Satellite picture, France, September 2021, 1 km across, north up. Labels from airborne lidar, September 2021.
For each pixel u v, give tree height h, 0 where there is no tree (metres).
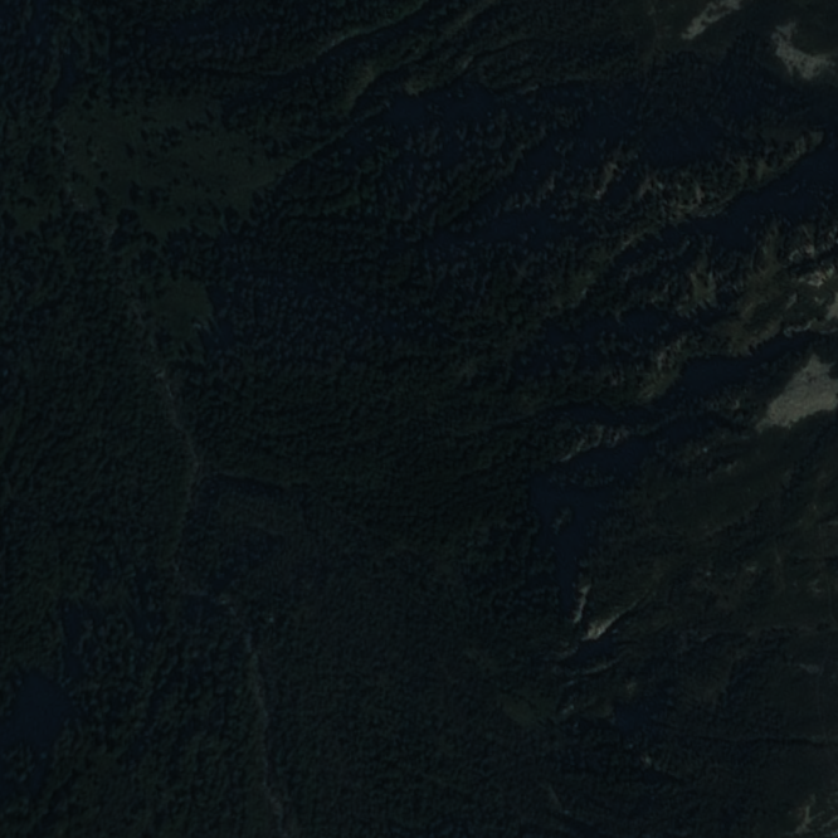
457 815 6
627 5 0
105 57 0
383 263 10
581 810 6
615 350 8
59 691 6
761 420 0
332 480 8
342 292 17
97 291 10
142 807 7
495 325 8
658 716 7
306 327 18
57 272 7
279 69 6
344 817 6
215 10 16
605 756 9
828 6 0
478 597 9
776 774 0
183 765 12
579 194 18
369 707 7
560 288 15
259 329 13
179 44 28
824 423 0
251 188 0
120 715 14
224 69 13
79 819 17
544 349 15
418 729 6
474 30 11
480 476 7
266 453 8
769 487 0
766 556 0
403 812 8
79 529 11
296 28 12
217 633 7
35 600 11
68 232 7
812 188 12
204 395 7
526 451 15
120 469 9
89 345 8
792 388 0
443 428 11
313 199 14
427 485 11
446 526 15
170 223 0
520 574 10
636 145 6
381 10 9
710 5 0
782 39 0
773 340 0
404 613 5
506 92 10
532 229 21
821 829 0
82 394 11
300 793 10
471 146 33
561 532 7
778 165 10
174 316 0
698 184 17
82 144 0
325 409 9
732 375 8
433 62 9
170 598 8
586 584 6
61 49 14
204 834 7
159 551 7
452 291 21
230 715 9
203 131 8
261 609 6
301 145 7
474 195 20
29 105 17
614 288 9
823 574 0
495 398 12
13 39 18
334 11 11
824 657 0
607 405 10
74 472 8
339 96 9
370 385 8
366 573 9
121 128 0
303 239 18
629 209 8
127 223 11
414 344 14
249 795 6
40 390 14
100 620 0
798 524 0
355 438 11
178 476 6
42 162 11
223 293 12
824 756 0
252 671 6
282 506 6
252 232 12
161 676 8
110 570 7
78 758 15
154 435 7
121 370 10
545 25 6
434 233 9
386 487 11
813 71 0
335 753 6
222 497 7
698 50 0
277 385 10
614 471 8
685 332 9
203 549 9
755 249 11
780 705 0
